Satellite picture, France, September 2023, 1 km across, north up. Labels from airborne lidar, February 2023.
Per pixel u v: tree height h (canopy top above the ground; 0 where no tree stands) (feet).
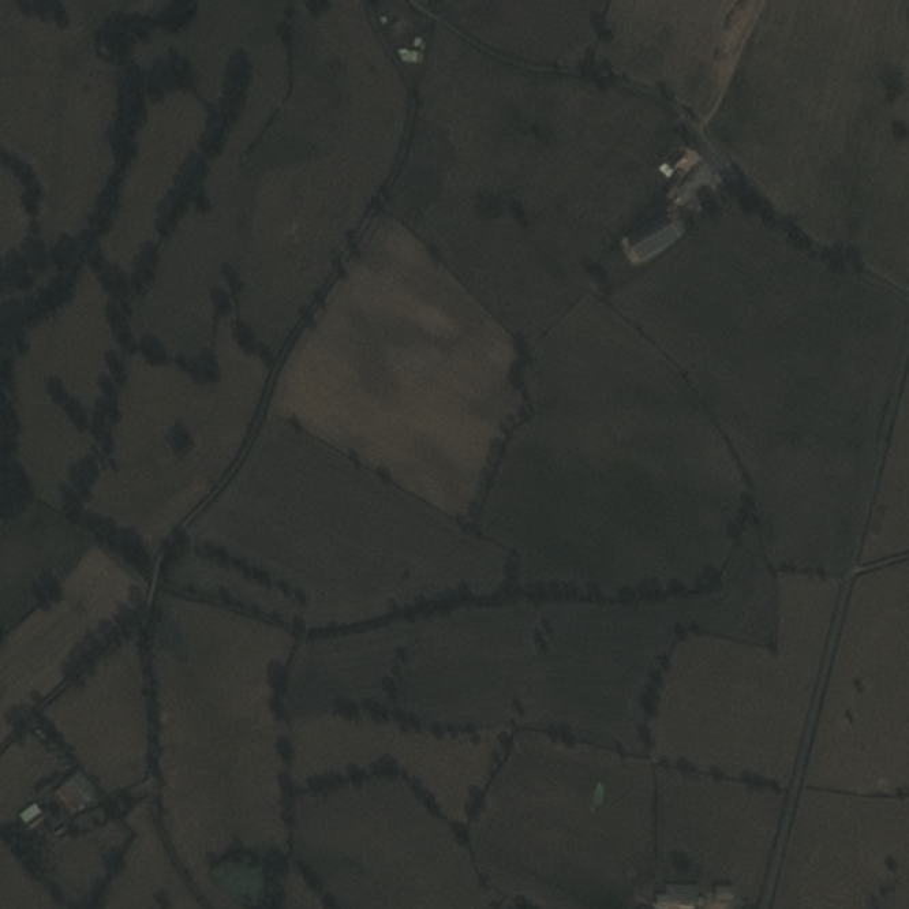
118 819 40
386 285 0
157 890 0
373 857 0
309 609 0
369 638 0
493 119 0
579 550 0
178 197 47
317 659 0
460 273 0
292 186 0
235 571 34
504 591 38
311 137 0
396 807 0
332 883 0
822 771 0
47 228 0
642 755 0
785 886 0
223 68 0
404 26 0
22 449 0
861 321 0
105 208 46
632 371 0
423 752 0
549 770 0
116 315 58
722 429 0
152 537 0
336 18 0
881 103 0
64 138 0
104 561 0
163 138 0
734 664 0
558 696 0
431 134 0
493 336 0
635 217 0
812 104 0
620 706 0
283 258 0
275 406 0
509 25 0
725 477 0
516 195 0
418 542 0
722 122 0
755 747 0
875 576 0
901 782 0
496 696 0
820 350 0
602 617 0
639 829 0
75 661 51
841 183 0
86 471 49
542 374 0
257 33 0
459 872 0
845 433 0
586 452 0
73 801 0
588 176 0
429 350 0
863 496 0
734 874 0
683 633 40
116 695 0
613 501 0
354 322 0
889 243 0
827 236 0
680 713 0
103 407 45
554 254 0
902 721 0
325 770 0
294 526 0
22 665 0
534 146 0
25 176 62
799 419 0
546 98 0
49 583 52
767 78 0
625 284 0
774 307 0
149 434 0
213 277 0
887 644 0
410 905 0
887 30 0
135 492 0
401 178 0
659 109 0
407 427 0
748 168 0
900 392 0
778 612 0
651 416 0
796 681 0
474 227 0
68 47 0
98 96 0
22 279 83
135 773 0
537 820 0
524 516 0
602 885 0
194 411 0
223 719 0
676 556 0
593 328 0
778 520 0
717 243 0
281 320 0
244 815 0
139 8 0
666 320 0
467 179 0
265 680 0
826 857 0
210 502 0
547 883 0
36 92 0
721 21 0
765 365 0
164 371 0
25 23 0
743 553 0
